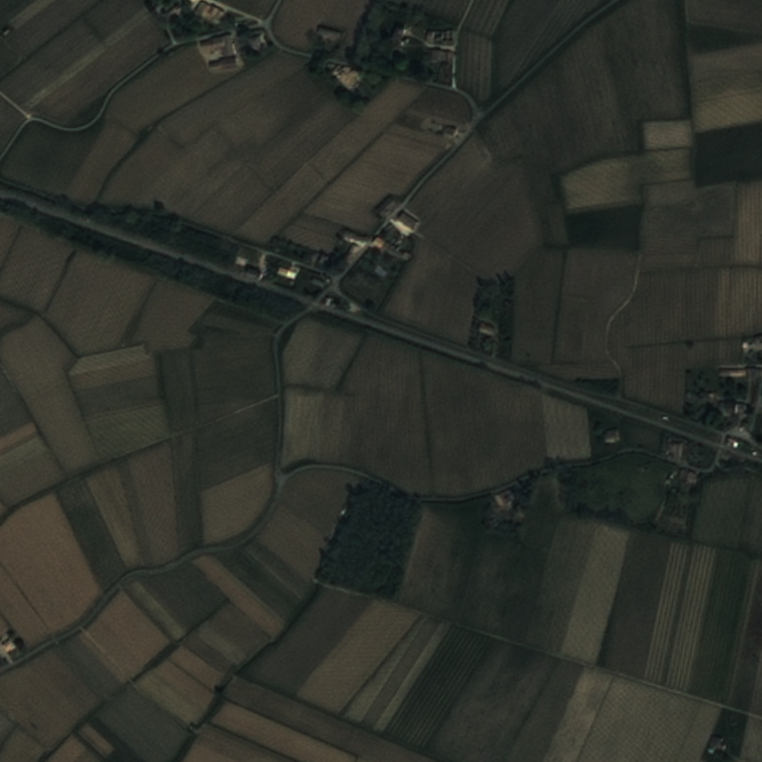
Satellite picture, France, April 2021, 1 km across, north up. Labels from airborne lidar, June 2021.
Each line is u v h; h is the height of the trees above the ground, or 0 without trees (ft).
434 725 0
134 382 0
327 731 0
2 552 0
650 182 0
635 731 0
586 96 0
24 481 0
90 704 0
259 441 0
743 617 0
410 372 0
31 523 0
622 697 0
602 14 0
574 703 0
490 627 0
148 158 0
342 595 0
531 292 0
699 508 0
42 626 0
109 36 0
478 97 0
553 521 0
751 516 0
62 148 0
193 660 0
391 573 20
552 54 0
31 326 0
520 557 0
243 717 0
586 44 0
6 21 0
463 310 0
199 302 0
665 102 0
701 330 0
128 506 0
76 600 0
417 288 0
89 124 0
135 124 0
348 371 0
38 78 0
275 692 0
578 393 0
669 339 0
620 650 0
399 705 0
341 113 0
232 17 33
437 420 0
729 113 0
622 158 0
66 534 0
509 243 0
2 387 0
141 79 0
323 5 0
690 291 0
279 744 0
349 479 0
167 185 0
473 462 0
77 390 0
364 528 70
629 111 0
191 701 0
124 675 0
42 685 0
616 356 0
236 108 0
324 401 0
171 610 0
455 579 0
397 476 0
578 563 0
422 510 52
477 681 0
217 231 0
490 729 0
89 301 0
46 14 0
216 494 0
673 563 0
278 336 0
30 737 0
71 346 0
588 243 0
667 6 0
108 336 0
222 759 0
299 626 0
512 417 0
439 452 0
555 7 0
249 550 0
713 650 0
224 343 0
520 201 0
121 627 0
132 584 0
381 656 0
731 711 0
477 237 0
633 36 0
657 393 0
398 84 0
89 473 0
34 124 0
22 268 0
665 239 0
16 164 0
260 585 0
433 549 0
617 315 0
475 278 0
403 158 0
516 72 0
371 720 0
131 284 0
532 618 0
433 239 0
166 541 0
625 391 0
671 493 20
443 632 0
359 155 0
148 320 0
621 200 0
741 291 0
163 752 0
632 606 0
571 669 0
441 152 0
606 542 0
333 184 0
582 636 0
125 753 0
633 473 0
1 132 0
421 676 0
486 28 0
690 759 0
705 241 0
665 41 0
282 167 0
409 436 0
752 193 0
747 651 0
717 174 0
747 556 0
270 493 0
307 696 0
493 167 0
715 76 0
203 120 0
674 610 0
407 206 0
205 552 0
